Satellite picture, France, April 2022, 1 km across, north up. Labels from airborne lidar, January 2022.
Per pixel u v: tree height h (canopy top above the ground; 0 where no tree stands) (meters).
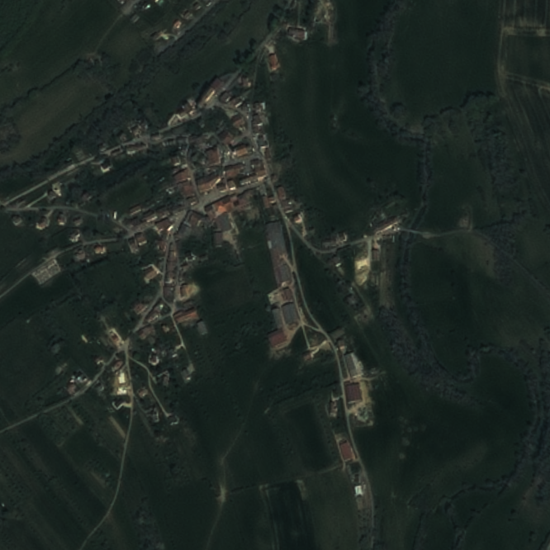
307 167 0
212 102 0
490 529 0
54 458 0
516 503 0
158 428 12
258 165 0
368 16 0
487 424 0
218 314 0
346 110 0
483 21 0
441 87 0
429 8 0
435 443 0
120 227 0
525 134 0
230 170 0
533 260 0
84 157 0
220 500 0
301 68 0
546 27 0
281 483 0
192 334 0
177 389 10
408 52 0
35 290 0
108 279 0
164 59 13
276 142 7
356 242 0
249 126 0
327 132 0
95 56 0
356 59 0
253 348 0
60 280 0
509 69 0
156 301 0
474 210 0
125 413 0
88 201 7
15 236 0
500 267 13
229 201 0
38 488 0
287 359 0
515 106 0
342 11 0
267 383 0
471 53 0
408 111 14
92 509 0
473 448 0
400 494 0
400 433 0
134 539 0
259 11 0
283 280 0
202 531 0
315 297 0
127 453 0
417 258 0
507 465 0
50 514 0
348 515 0
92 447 0
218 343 0
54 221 0
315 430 0
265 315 0
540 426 0
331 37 0
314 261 0
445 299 0
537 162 0
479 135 18
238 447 0
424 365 23
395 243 0
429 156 16
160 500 0
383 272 7
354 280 0
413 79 0
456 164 0
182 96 0
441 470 0
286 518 0
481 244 0
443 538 0
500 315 0
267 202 0
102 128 24
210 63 0
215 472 0
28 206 0
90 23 0
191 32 9
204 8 0
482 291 0
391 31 15
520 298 0
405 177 0
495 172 19
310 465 0
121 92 8
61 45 0
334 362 11
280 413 0
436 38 0
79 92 0
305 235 0
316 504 0
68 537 0
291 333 0
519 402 0
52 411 0
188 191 0
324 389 8
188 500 0
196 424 0
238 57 0
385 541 0
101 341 0
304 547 0
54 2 0
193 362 0
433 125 13
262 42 0
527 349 0
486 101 20
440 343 0
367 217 0
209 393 0
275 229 0
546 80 0
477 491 11
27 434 0
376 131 0
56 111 0
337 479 0
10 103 0
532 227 0
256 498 0
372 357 0
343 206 0
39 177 23
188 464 0
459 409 0
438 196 0
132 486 0
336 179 0
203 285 0
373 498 0
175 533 0
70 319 0
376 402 0
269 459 0
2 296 0
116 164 0
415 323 23
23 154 0
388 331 6
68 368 0
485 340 0
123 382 0
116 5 0
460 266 0
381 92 7
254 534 0
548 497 8
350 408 0
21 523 0
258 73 0
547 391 21
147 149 0
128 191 0
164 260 0
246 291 0
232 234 0
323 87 0
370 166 0
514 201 0
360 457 0
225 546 0
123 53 0
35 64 0
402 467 0
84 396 0
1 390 0
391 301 0
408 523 0
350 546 0
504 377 0
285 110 0
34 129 0
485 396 0
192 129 12
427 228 0
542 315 0
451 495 0
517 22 0
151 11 0
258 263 0
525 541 0
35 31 0
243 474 0
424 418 0
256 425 0
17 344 0
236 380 0
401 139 25
